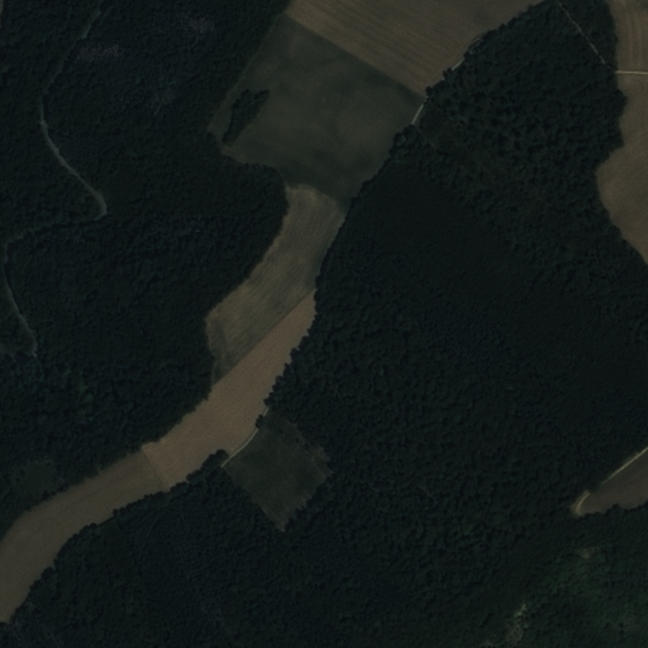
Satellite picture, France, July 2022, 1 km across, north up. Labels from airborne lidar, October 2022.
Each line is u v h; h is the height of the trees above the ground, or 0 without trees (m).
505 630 7
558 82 25
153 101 23
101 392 27
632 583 18
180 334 24
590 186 26
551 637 12
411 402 18
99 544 24
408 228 15
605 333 13
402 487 18
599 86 25
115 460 17
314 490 0
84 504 0
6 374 35
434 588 17
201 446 0
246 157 0
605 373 19
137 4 23
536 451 24
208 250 23
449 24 0
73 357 22
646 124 0
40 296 21
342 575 17
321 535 19
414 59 0
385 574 19
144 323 21
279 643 19
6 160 15
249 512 14
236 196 18
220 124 0
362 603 21
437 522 26
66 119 16
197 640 11
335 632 16
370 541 16
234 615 17
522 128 27
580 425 19
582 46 22
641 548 19
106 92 24
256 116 12
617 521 16
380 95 0
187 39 20
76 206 32
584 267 21
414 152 18
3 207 23
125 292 28
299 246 0
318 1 0
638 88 0
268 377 0
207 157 13
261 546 21
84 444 27
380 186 14
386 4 0
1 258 24
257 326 0
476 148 10
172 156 20
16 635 19
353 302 22
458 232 12
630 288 13
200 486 15
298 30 0
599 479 21
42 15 24
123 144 13
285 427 0
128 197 7
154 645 6
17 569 0
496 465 23
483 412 17
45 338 24
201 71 16
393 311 21
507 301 14
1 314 23
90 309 24
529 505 33
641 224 0
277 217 14
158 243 31
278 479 0
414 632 15
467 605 16
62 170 24
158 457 0
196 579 21
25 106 22
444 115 6
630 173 0
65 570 19
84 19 16
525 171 23
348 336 25
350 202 0
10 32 11
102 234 11
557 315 20
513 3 0
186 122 19
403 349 24
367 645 13
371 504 23
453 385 16
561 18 16
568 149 27
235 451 0
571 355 22
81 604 23
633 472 0
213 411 0
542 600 15
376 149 0
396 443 20
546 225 7
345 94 0
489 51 21
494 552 24
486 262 12
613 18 15
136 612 20
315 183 0
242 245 20
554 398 18
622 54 0
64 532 0
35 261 22
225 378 0
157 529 20
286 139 0
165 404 22
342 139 0
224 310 0
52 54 17
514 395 19
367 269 22
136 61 25
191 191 13
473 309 18
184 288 23
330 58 0
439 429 24
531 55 17
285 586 21
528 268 11
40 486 0
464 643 15
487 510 25
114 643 16
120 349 25
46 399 31
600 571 19
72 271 25
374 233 16
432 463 22
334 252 15
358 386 23
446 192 13
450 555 24
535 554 17
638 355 14
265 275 0
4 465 18
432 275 15
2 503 7
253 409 0
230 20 17
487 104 25
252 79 0
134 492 0
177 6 20
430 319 19
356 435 25
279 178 20
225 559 14
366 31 0
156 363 28
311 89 0
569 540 16
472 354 17
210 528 17
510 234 22
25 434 25
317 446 14
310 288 0
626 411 20
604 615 5
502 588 22
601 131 21
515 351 14
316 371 24
